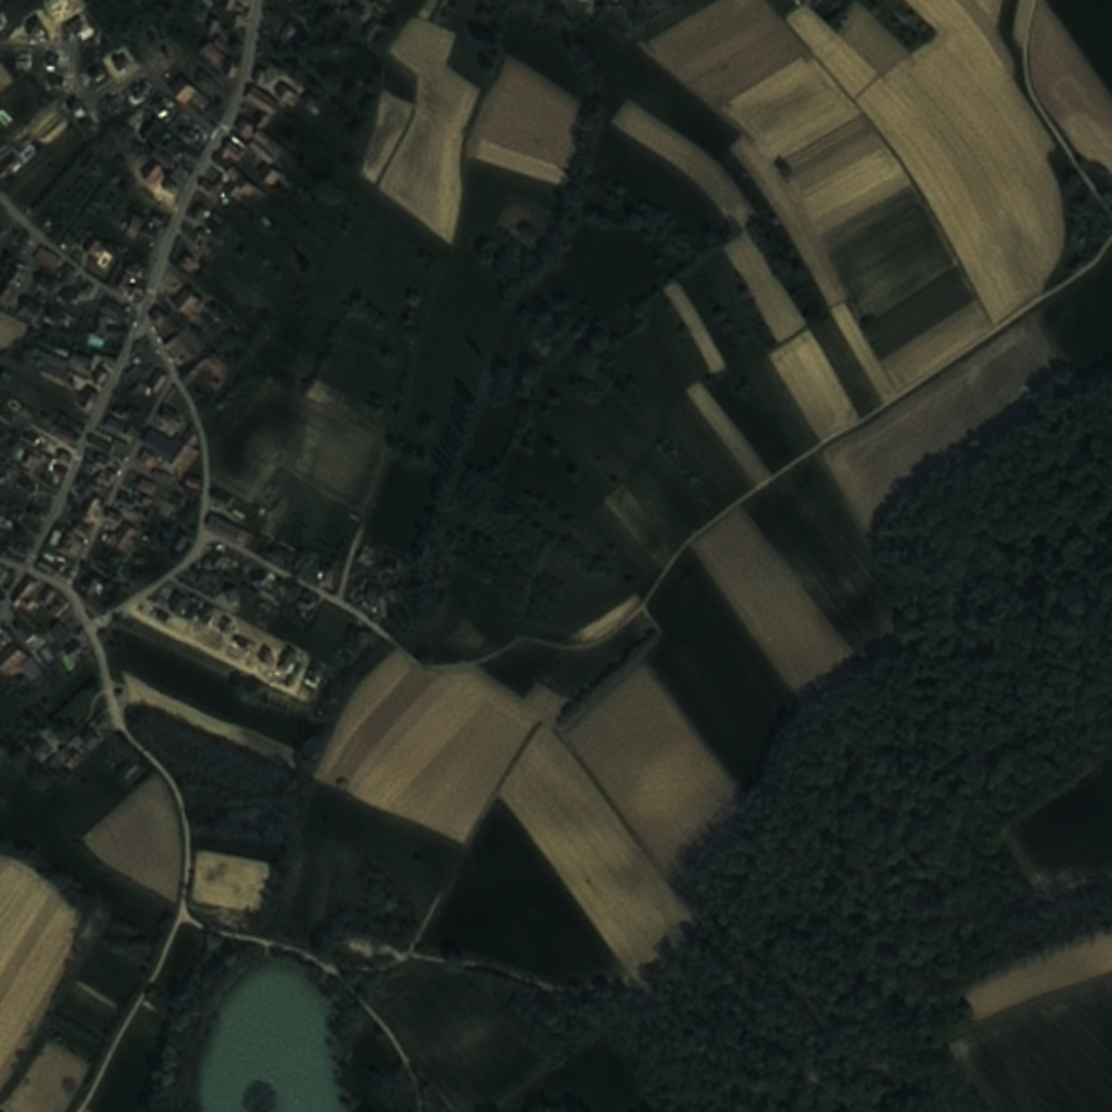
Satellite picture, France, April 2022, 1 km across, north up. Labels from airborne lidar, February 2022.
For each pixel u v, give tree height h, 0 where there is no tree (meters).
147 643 0
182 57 0
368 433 0
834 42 0
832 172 0
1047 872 0
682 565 0
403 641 0
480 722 0
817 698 19
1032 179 0
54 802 0
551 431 0
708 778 0
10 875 0
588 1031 25
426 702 0
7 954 0
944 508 29
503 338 0
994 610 30
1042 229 0
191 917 8
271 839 14
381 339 0
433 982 0
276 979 0
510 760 0
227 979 20
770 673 0
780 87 0
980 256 0
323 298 0
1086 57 0
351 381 0
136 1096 0
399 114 0
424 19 0
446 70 0
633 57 0
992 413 0
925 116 0
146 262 0
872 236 0
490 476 9
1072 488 31
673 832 0
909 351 0
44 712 11
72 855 0
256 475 0
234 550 0
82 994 0
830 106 0
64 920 0
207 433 0
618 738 0
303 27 7
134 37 11
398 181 0
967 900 32
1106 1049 0
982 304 0
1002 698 25
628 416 0
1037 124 0
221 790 22
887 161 0
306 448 0
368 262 0
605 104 18
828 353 0
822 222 0
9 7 0
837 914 28
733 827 20
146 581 11
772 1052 20
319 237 0
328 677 0
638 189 0
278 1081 0
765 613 0
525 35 0
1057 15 0
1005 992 0
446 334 0
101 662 0
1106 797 0
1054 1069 0
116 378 0
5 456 9
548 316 20
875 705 29
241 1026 0
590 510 0
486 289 0
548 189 0
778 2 0
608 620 0
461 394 0
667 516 0
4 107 0
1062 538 23
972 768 33
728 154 0
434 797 0
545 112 0
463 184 0
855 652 0
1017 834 0
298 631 0
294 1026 0
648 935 0
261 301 0
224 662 0
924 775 33
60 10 0
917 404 0
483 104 0
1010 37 0
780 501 0
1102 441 25
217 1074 0
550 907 0
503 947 0
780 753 18
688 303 0
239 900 0
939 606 31
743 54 0
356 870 0
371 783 0
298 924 0
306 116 0
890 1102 15
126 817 0
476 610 0
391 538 0
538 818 0
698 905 26
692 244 8
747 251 0
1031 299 0
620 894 0
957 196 0
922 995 31
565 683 0
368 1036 0
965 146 0
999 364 0
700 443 0
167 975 0
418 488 0
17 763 12
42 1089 0
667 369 0
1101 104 0
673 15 0
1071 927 28
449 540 8
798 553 0
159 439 0
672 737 0
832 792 33
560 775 0
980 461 27
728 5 0
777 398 0
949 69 0
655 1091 14
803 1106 27
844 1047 29
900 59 0
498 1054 0
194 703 0
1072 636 30
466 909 0
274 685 0
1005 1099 0
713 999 14
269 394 0
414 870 0
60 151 0
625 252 0
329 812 0
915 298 0
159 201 16
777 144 0
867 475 0
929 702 23
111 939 9
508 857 0
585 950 0
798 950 33
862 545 0
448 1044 0
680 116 0
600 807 0
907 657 24
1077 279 0
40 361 8
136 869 0
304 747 16
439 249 0
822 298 0
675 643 0
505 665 0
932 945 33
